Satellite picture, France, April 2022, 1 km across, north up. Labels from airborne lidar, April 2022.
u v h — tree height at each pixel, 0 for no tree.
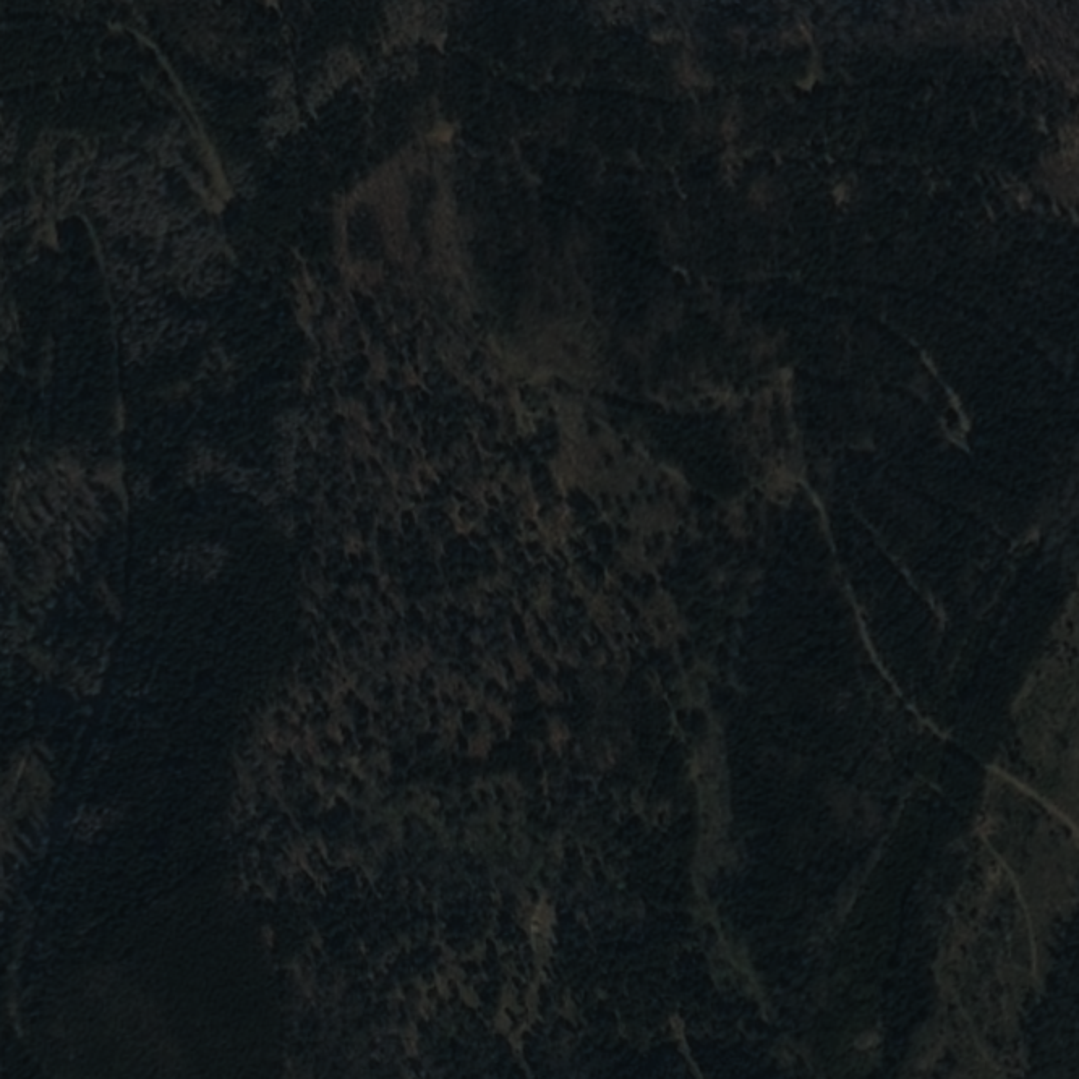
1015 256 24
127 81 21
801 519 21
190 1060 16
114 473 24
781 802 13
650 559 7
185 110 10
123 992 16
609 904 35
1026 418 26
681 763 15
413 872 17
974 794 23
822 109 24
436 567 26
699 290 24
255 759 24
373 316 16
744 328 17
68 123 25
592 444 14
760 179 22
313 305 12
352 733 10
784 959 22
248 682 23
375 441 26
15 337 25
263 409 24
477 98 22
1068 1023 20
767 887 18
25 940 8
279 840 7
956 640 20
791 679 27
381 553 27
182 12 11
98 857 28
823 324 28
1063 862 0
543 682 8
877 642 19
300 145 23
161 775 24
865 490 19
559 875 17
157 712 26
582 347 20
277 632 23
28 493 24
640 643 32
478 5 20
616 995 36
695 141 19
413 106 24
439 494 33
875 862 30
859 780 16
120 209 26
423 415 31
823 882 17
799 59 21
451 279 21
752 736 15
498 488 28
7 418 29
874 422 26
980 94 24
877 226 28
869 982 10
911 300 19
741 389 15
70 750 28
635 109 21
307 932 16
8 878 24
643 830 17
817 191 29
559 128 17
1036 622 23
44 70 25
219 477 12
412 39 19
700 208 25
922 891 21
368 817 24
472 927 32
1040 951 0
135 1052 17
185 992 17
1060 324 20
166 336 26
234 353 27
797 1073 11
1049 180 10
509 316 22
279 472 20
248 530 20
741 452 17
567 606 31
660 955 36
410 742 20
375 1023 27
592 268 18
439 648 31
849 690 21
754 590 25
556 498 29
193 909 17
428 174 22
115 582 28
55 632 29
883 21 15
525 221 24
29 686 26
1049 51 21
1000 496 22
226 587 23
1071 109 20
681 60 12
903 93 24
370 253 23
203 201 16
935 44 19
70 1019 16
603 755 20
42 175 13
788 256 29
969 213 23
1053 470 20
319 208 16
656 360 19
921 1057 25
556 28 16
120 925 23
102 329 27
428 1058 30
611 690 25
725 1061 26
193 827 25
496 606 30
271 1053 18
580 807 30
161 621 24
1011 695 22
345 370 9
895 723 16
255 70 22
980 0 18
